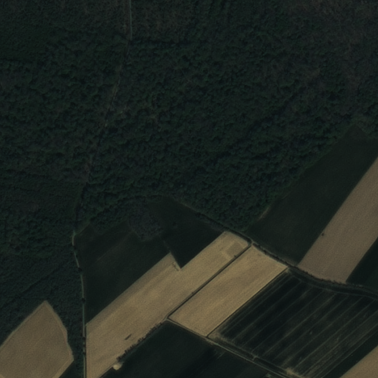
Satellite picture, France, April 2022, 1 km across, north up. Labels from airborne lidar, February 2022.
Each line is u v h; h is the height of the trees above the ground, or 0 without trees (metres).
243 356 0
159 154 30
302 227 0
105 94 27
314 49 29
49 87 28
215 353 0
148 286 0
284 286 0
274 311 0
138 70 25
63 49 27
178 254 0
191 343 0
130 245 0
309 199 0
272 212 0
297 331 0
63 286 16
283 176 23
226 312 0
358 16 24
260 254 0
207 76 24
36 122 28
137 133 24
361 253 0
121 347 0
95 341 0
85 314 0
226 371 0
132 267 0
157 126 26
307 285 0
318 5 25
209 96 25
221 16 23
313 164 18
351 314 0
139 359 0
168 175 22
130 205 21
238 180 28
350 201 0
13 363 0
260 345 0
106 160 27
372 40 27
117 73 22
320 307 0
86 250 0
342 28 22
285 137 23
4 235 29
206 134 26
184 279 0
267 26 27
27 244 24
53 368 0
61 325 0
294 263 0
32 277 16
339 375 0
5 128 30
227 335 0
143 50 28
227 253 0
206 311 0
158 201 7
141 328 0
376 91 23
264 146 28
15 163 22
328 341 0
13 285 15
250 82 27
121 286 0
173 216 0
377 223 0
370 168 0
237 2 19
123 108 27
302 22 29
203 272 0
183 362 0
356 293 0
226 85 23
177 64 30
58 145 27
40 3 14
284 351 0
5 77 29
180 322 0
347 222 0
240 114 27
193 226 0
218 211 20
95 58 25
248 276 0
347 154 0
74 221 21
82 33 24
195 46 26
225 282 0
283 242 0
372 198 0
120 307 0
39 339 0
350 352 0
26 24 10
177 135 28
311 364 0
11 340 0
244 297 0
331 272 0
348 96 28
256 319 0
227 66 24
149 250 0
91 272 0
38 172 11
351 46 25
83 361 11
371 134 20
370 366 0
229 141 25
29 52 10
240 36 26
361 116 28
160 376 0
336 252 0
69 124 27
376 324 0
